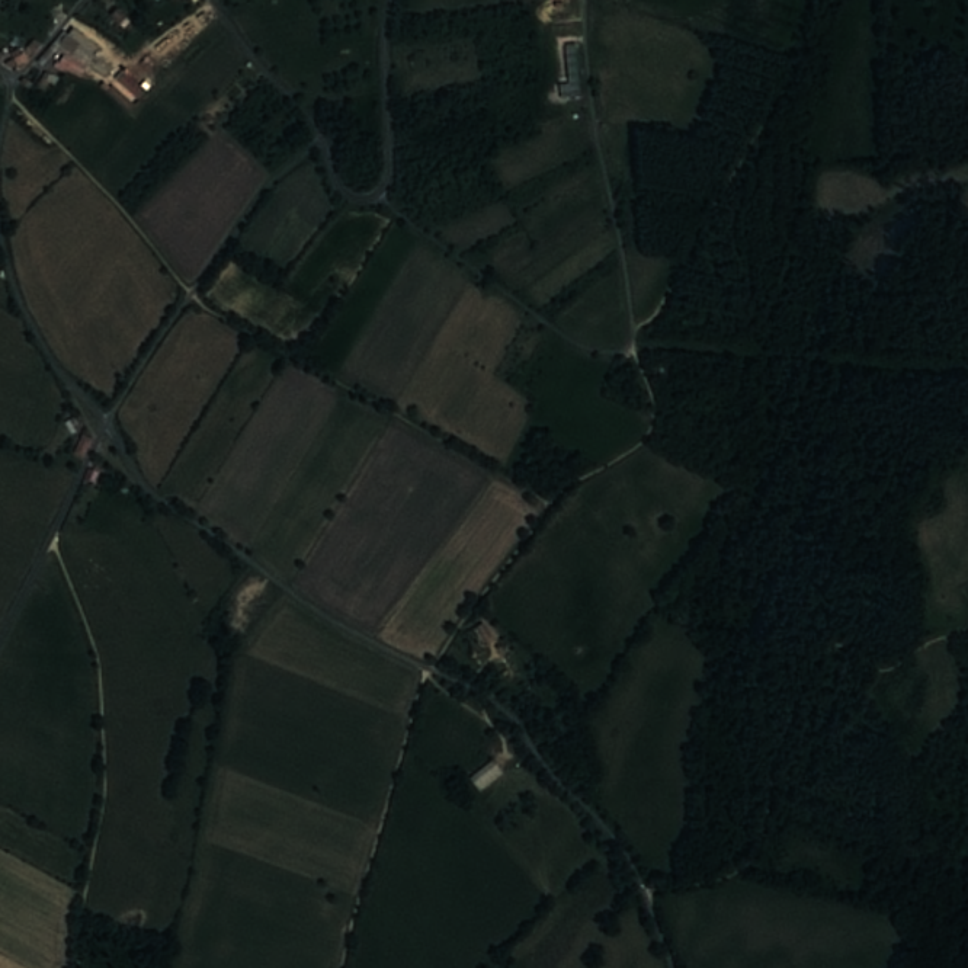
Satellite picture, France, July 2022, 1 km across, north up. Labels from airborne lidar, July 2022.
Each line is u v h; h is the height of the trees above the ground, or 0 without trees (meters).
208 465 0
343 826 0
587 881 13
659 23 0
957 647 13
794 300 13
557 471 16
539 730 13
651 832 0
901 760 22
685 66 0
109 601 0
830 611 6
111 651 0
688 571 26
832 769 16
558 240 0
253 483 0
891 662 16
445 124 8
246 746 0
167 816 0
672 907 0
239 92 0
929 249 28
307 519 0
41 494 0
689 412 10
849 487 18
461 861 0
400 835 0
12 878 0
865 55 0
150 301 0
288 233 0
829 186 0
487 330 0
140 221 0
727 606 33
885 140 22
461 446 15
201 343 0
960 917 24
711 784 10
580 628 0
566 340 0
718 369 22
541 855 0
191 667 0
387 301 0
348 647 0
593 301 0
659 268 0
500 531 0
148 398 0
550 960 0
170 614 0
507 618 0
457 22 9
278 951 0
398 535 0
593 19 0
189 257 0
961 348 7
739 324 18
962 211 36
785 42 0
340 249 0
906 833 22
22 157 0
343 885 0
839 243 26
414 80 0
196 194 0
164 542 0
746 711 10
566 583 0
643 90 0
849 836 14
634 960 0
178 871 0
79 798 0
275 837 0
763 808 17
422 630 0
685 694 0
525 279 0
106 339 0
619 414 0
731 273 23
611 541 0
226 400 0
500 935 0
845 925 0
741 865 16
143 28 12
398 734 0
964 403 28
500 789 0
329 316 13
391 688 0
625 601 0
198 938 0
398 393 0
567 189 0
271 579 0
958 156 27
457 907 0
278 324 0
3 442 14
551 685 18
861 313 25
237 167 0
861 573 37
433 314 0
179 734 14
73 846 11
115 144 0
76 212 0
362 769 0
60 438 0
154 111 0
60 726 0
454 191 8
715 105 22
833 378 28
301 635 0
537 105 0
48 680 0
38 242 0
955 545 0
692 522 0
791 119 23
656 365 12
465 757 0
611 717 0
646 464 0
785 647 29
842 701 18
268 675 0
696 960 0
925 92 22
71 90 0
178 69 0
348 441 0
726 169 27
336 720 0
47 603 0
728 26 0
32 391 0
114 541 0
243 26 0
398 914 0
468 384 0
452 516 0
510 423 0
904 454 26
